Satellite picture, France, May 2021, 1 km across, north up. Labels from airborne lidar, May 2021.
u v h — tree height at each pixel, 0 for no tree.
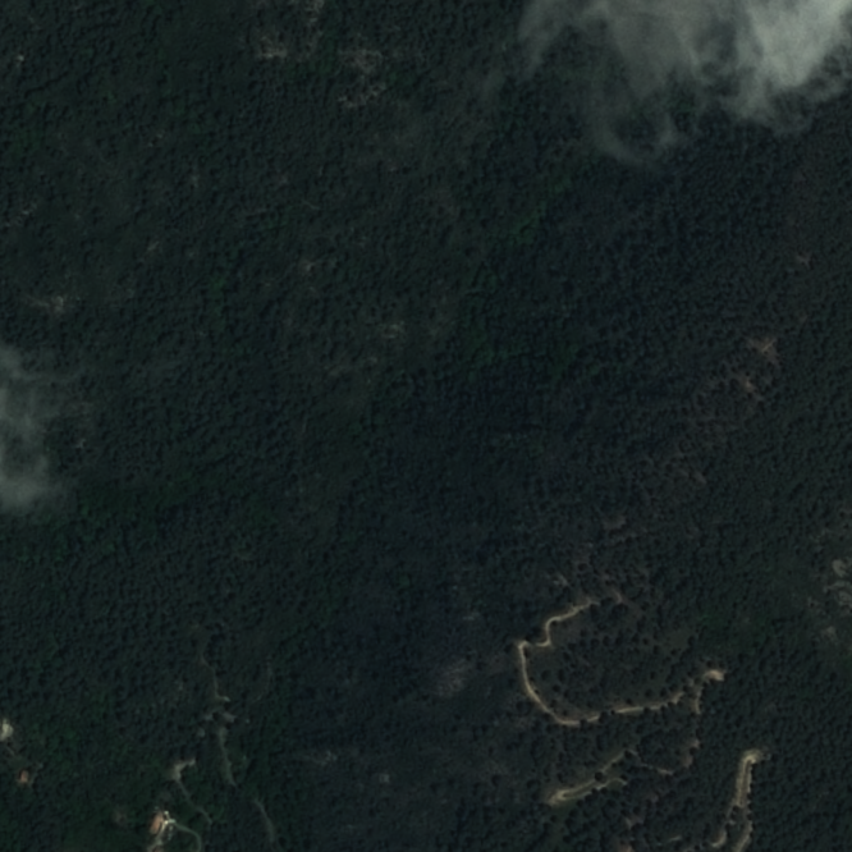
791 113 6
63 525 14
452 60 22
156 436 22
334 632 6
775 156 14
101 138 9
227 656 20
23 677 13
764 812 18
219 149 20
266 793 21
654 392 6
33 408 7
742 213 24
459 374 19
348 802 9
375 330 8
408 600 14
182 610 24
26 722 18
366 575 7
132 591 11
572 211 7
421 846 6
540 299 9
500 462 7
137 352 6
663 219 7
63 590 7
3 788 20
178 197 11
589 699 25
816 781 17
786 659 20
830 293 23
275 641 10
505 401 8
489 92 27
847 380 30
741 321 18
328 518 6
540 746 20
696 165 23
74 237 5
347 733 13
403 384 16
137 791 8
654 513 21
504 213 10
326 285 10
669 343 18
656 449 14
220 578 19
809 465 26
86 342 22
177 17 22
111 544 14
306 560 7
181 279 9
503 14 10
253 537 17
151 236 6
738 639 16
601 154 8
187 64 15
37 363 20
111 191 6
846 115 21
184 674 23
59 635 17
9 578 18
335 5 11
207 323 31
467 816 19
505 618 6
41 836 20
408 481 6
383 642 13
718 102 7
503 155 11
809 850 26
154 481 6
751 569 30
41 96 23
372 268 10
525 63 17
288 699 18
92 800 12
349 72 9
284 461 18
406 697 18
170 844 6
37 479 7
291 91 21
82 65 19
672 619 23
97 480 8
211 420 17
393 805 7
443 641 7
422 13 25
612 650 24
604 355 15
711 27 15
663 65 24
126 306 8
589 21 17
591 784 0
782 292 20
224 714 7
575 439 19
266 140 16
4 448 16
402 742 9
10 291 12
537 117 6
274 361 18
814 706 25
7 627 22
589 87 6
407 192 9
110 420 19
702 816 20
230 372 24
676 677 21
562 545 11
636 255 20
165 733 15
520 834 25
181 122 6
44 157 7
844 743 19
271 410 6
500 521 8
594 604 0
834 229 26
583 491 20
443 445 6
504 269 11
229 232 10
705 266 23
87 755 22
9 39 17
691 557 26
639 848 20
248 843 16
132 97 6
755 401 19
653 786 23
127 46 31
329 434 17
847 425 20
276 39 7
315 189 20
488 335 7
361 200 17
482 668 13
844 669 7
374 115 19
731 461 20
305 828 10
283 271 7
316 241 7
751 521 23
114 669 22
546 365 25
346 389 27
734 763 23
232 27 9
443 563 7
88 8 7
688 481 25
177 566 24
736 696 20
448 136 22
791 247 22
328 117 16
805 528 17
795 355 19
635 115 11
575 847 17
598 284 10
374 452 12
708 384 21
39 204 18
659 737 23
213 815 9
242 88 7
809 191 25
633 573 22
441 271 13
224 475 10
